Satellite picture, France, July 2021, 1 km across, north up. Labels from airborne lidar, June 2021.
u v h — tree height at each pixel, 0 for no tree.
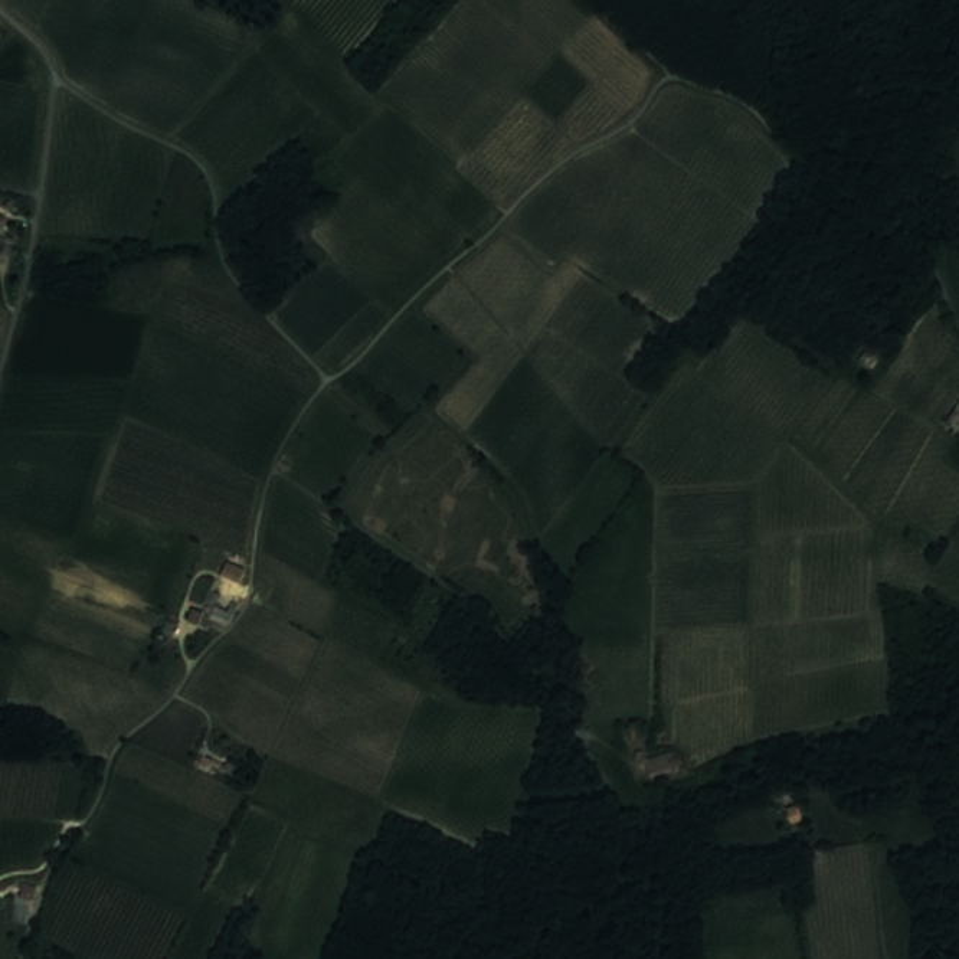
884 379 0
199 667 0
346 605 0
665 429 0
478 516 0
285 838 0
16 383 0
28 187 0
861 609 0
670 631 0
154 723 0
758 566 0
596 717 0
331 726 0
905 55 26
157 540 0
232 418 0
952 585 0
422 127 0
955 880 11
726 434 0
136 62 0
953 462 0
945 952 17
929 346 0
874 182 22
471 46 0
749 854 19
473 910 18
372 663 0
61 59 0
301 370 0
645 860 18
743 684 0
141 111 0
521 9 0
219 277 0
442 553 0
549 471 0
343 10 0
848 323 17
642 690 0
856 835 0
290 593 0
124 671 0
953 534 0
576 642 28
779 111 16
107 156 0
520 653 25
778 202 18
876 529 0
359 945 17
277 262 21
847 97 25
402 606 8
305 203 21
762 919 0
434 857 20
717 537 0
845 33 19
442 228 0
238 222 19
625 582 0
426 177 0
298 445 0
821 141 22
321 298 0
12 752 20
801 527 0
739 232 0
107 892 0
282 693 0
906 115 24
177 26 0
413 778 0
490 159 0
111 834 0
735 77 15
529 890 22
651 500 0
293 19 0
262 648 0
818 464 0
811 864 17
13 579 0
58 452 0
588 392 0
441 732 0
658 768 0
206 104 0
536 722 0
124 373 0
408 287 0
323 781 0
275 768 0
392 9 12
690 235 0
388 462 0
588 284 0
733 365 0
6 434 0
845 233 21
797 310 20
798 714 0
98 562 0
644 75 0
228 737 10
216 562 0
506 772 0
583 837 20
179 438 0
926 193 17
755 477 0
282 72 0
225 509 0
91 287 9
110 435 0
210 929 0
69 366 0
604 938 26
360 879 15
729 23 15
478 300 0
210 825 0
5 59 0
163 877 0
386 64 8
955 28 18
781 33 18
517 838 20
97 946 0
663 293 0
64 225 0
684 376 0
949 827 14
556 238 0
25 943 13
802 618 0
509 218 0
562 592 23
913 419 0
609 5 12
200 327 0
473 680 16
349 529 7
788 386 0
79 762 13
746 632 0
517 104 0
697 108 0
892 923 0
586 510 0
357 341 0
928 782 10
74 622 0
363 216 0
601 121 0
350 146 0
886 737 19
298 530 0
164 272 0
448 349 0
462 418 0
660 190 0
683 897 17
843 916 0
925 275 18
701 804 22
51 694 0
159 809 0
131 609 0
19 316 0
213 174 0
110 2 0
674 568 0
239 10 21
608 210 0
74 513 0
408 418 6
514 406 0
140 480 0
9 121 0
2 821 0
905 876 16
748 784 25
